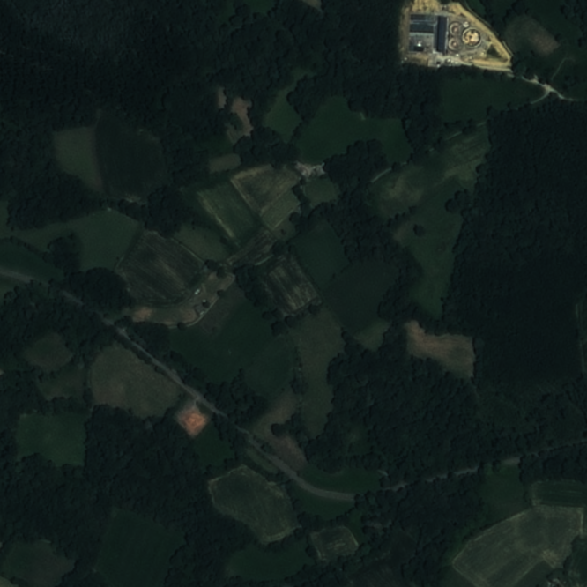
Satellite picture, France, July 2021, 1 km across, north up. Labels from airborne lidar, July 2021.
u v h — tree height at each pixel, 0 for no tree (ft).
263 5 0
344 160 77
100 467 77
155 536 0
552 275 80
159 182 0
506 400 27
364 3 49
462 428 76
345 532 0
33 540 49
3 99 92
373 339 0
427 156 38
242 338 0
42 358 0
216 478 55
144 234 0
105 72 69
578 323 41
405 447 91
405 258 64
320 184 0
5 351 47
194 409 0
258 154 82
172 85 92
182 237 0
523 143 77
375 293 0
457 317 64
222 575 75
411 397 104
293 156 101
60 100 89
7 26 81
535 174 47
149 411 0
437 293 0
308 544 30
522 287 77
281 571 0
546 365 63
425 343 0
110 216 0
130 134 0
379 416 92
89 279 75
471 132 57
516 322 50
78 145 0
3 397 78
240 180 0
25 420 0
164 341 64
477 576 0
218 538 69
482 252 75
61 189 44
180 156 66
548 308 73
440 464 94
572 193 72
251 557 0
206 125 71
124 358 0
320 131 0
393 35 77
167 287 0
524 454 73
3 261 0
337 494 0
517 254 60
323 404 0
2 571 53
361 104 99
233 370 0
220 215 0
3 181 89
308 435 43
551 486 0
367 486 0
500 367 50
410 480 79
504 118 70
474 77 77
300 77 0
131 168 0
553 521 0
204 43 72
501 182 64
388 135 0
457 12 0
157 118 78
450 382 69
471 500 84
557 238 83
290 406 0
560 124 71
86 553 59
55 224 46
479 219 85
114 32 44
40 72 83
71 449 0
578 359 40
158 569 0
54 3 39
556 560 0
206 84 33
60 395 0
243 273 72
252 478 0
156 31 84
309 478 0
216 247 0
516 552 0
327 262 0
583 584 0
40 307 59
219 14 95
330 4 90
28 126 37
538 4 0
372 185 37
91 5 51
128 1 51
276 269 0
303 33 79
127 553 0
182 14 83
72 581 79
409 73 52
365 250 84
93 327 31
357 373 79
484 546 0
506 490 0
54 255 35
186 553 64
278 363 0
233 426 75
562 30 0
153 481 49
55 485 79
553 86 84
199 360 0
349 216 51
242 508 0
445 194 0
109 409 68
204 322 0
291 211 0
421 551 38
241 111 0
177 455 81
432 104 77
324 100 72
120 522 0
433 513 89
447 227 0
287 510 0
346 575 52
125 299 85
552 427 18
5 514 77
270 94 74
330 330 0
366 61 51
